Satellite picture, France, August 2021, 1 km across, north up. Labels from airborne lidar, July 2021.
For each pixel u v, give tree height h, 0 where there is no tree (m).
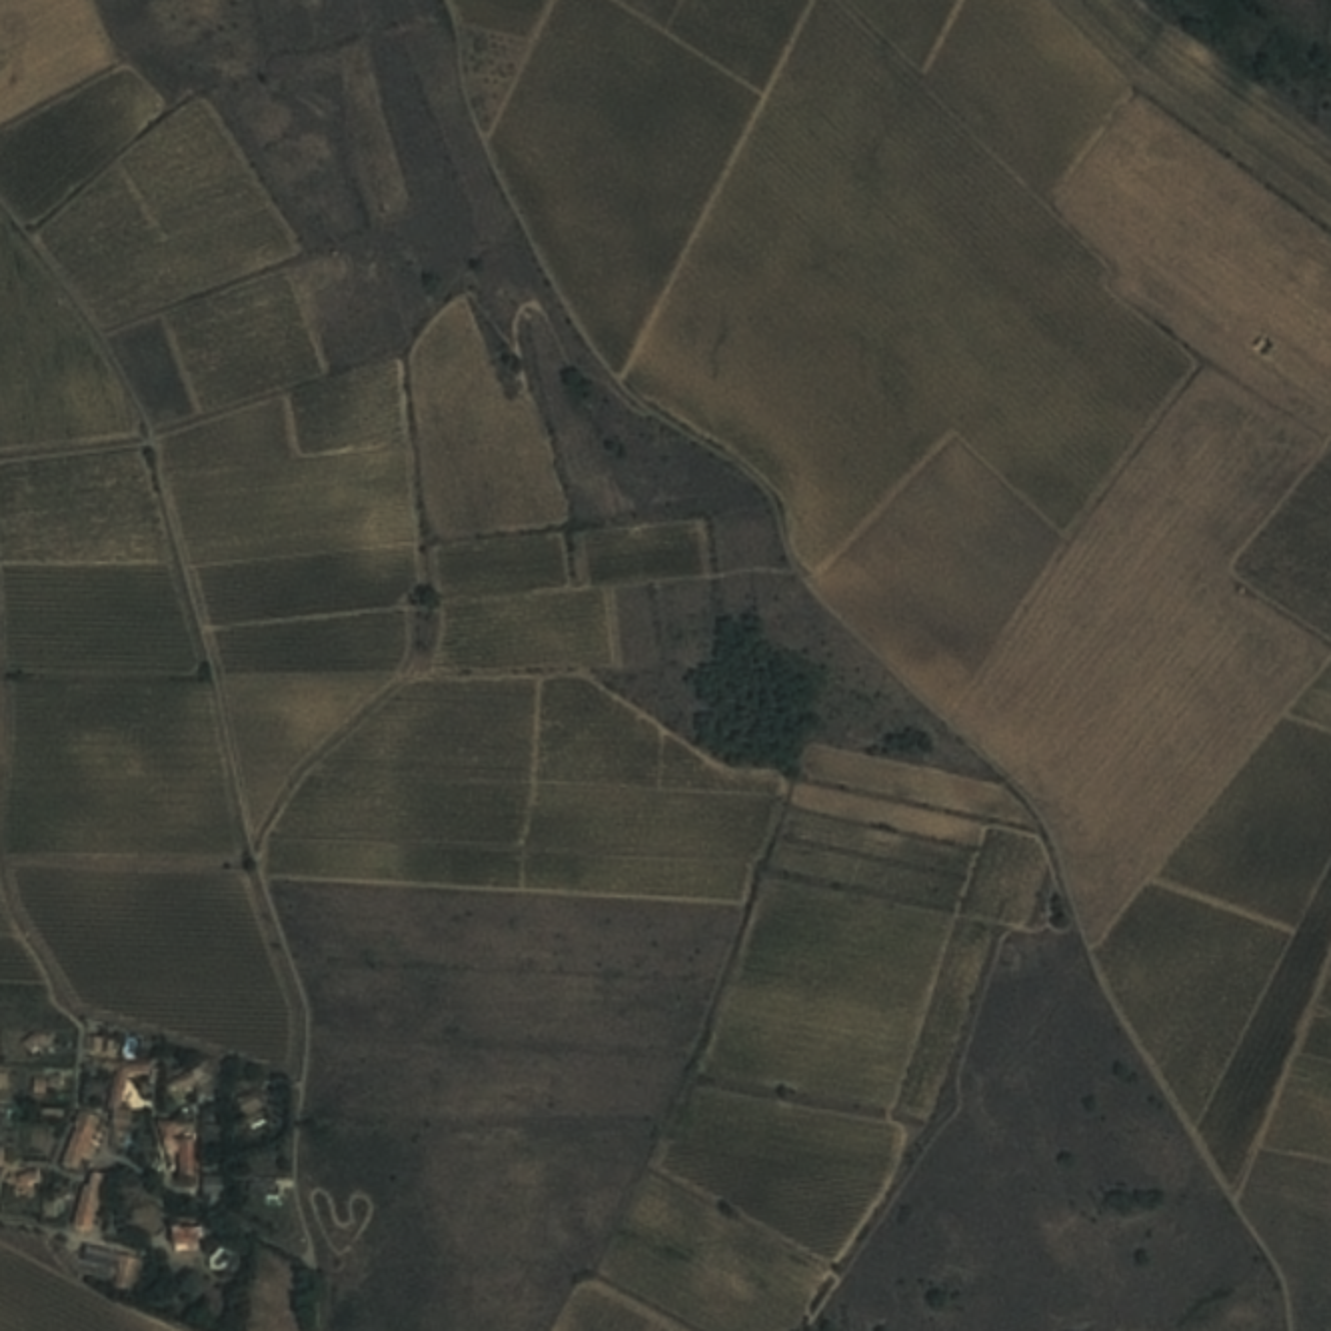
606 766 0
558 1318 0
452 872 0
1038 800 0
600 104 0
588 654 0
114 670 0
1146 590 0
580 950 0
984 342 0
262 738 0
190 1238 0
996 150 0
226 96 0
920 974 0
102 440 0
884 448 0
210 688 0
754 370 0
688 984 0
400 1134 0
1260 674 0
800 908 0
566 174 0
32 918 0
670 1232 0
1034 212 0
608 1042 0
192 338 0
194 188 0
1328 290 0
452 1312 0
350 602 0
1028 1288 0
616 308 0
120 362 0
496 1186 0
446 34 0
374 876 0
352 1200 0
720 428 0
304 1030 0
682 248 0
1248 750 0
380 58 0
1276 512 0
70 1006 0
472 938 0
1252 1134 0
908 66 0
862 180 0
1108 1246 0
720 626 11
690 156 0
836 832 0
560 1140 0
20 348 0
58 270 0
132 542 0
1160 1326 0
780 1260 0
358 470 0
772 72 0
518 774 0
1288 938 0
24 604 0
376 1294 0
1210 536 0
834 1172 0
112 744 0
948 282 0
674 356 0
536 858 0
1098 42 0
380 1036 0
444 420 0
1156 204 0
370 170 0
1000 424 0
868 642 0
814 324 0
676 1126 0
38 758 0
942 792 0
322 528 0
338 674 0
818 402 0
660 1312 0
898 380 0
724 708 12
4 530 0
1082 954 0
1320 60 11
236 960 0
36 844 0
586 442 0
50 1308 0
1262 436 0
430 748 0
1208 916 0
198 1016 0
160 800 0
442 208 0
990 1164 0
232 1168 8
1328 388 0
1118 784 0
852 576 0
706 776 0
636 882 0
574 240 0
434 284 10
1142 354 0
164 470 0
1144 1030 0
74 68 0
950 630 0
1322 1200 0
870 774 0
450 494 0
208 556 0
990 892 0
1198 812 0
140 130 0
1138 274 0
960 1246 0
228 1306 10
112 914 0
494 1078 0
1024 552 0
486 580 0
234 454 0
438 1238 0
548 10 0
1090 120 0
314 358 0
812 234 0
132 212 0
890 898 0
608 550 0
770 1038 0
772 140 0
